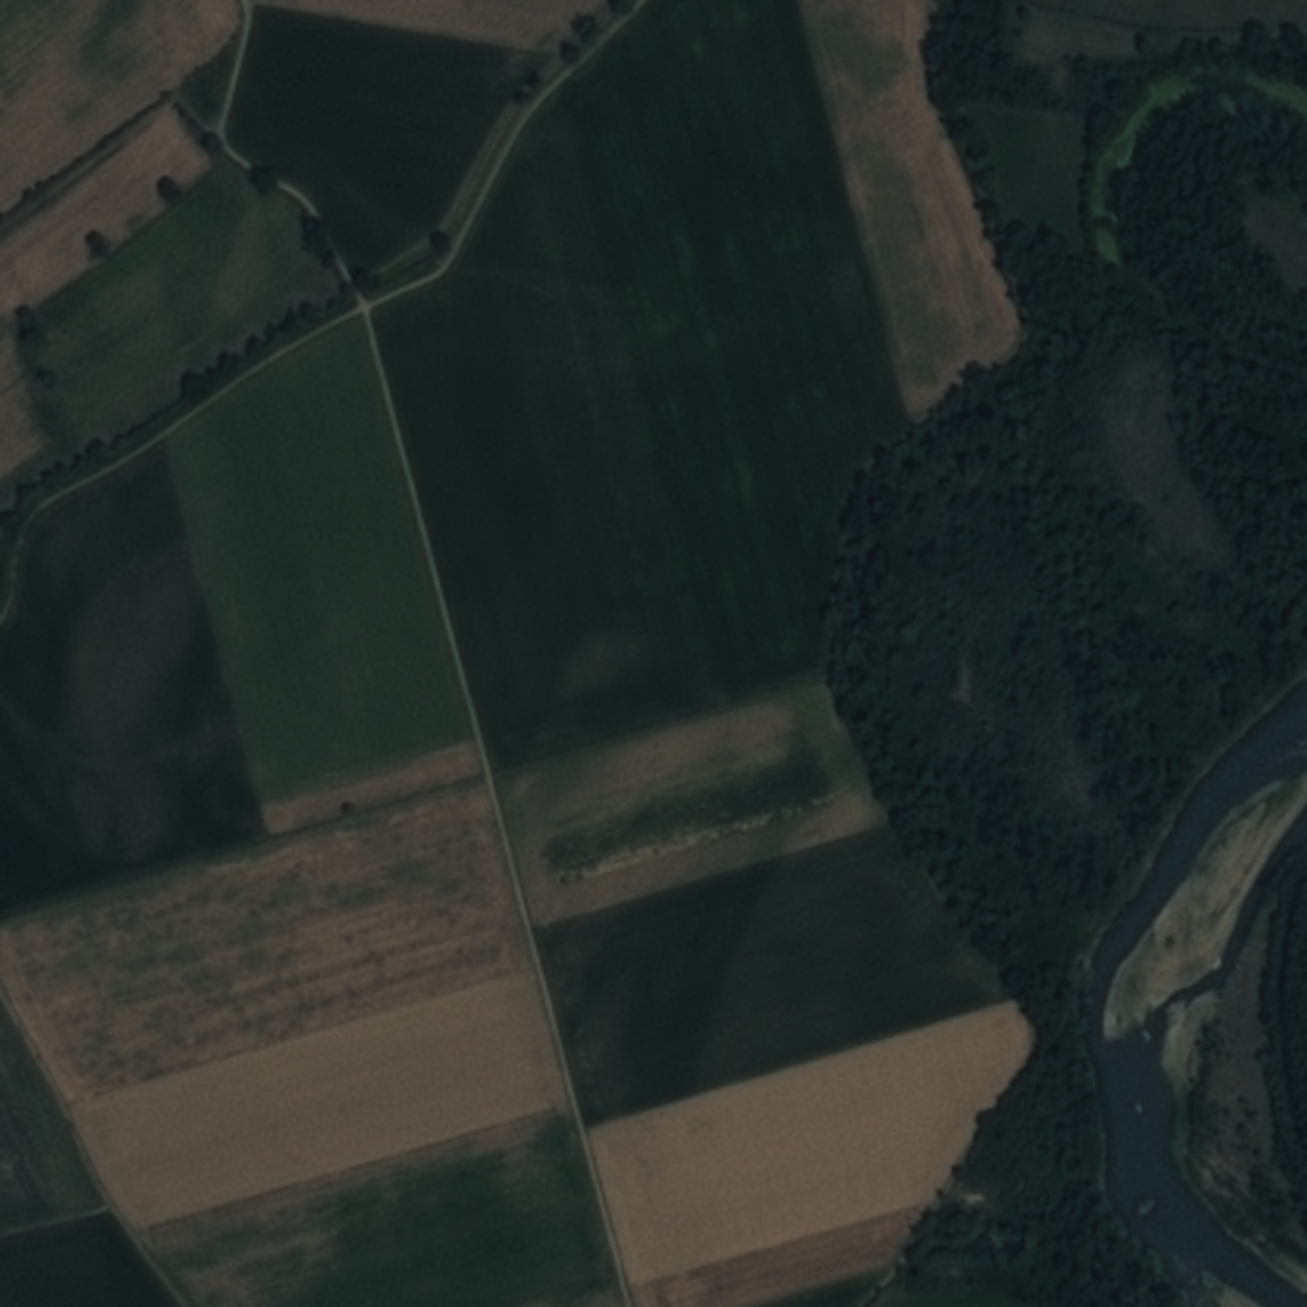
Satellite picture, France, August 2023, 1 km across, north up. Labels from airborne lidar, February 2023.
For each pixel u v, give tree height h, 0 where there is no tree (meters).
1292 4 0
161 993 0
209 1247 0
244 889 0
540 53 0
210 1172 0
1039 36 0
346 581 0
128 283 0
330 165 0
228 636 0
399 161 0
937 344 0
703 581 0
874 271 0
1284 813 0
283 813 0
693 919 0
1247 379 17
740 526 0
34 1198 0
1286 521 22
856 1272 0
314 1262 0
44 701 0
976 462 16
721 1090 0
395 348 0
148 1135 0
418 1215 0
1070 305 7
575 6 0
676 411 0
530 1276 0
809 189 0
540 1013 0
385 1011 0
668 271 0
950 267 0
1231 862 0
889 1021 0
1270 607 18
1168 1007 0
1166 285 25
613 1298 0
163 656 0
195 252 0
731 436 0
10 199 0
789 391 0
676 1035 0
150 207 0
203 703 0
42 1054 0
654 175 0
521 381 0
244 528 0
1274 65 9
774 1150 0
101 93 0
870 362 0
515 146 0
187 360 0
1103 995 0
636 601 0
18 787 0
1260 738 0
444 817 0
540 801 0
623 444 0
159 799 0
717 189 0
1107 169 0
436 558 0
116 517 0
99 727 0
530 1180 0
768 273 0
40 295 0
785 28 0
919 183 0
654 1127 0
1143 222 23
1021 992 19
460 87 0
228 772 0
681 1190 0
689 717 0
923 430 7
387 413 0
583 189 0
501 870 0
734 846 0
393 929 0
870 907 0
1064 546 21
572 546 0
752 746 0
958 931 0
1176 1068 0
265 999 0
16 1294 0
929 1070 0
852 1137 0
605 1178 0
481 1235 0
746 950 0
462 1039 0
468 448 0
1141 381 0
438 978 0
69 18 0
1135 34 0
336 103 0
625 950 0
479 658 0
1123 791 22
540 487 0
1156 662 5
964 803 21
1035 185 0
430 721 0
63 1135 0
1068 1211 12
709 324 0
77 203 0
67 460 0
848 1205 0
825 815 0
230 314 0
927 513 11
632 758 0
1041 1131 6
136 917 0
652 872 0
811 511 0
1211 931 0
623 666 0
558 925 0
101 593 0
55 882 0
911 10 0
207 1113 0
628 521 0
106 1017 0
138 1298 0
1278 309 18
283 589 0
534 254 0
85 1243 0
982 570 7
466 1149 0
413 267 0
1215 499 11
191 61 0
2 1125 0
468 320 0
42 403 0
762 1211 0
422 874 0
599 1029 0
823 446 0
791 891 0
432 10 0
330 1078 0
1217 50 12
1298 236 0
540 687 0
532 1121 0
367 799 0
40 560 0
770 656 0
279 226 0
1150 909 0
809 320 0
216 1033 0
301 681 0
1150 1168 0
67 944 0
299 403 0
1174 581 6
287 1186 0
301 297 0
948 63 25
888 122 0
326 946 0
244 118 0
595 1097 0
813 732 0
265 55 0
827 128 0
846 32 0
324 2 0
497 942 0
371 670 0
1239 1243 0
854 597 8
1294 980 17
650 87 0
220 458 0
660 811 0
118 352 0
